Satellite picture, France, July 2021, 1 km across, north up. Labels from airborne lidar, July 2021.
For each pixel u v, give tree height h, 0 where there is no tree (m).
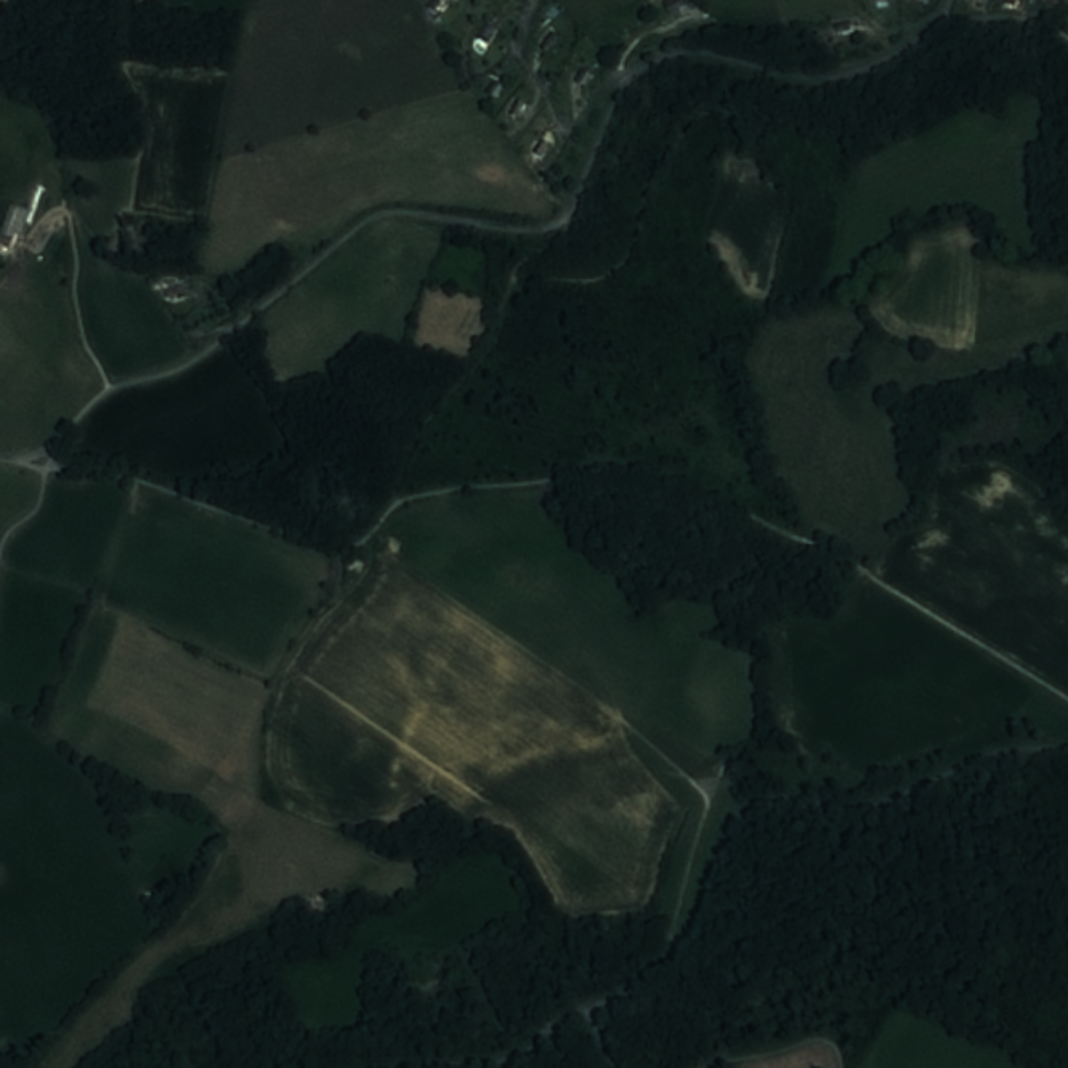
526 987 12
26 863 0
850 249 0
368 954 10
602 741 0
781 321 10
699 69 12
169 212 0
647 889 0
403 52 0
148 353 0
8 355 0
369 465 22
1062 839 19
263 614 0
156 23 11
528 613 0
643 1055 27
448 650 0
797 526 13
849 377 17
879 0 0
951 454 27
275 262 24
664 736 0
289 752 0
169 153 0
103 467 20
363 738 0
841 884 23
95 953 0
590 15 0
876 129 24
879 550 0
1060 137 17
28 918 0
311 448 23
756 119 24
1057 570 0
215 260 0
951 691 0
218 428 0
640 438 0
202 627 0
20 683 0
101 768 15
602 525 28
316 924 21
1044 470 16
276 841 0
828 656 0
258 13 0
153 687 0
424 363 14
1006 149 0
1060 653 0
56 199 0
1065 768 12
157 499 0
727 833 9
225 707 0
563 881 0
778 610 20
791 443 0
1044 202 22
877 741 0
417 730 0
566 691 0
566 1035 24
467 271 0
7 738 0
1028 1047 8
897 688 0
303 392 20
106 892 0
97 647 0
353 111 0
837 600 17
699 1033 29
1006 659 0
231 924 0
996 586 0
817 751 0
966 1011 26
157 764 0
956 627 0
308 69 0
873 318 10
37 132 0
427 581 0
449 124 0
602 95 0
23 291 0
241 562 0
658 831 0
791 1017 12
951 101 22
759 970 27
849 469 0
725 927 27
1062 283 0
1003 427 0
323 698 0
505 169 0
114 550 0
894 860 30
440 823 28
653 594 32
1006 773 29
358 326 0
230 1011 24
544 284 18
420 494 12
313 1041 23
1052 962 13
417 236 0
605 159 18
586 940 27
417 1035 18
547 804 0
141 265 18
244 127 0
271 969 20
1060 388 15
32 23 22
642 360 14
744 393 26
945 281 0
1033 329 0
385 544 0
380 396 19
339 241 0
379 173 0
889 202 0
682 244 6
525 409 9
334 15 0
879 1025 7
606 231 7
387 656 0
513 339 6
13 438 0
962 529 0
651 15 19
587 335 9
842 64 14
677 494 25
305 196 0
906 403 14
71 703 0
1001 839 29
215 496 19
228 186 0
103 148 22
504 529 0
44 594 0
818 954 24
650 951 14
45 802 0
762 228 0
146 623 0
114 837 16
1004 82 27
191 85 0
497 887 0
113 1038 12
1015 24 10
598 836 0
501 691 0
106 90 27
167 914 23
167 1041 8
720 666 0
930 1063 0
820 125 18
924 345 23
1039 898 13
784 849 24
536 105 0
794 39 15
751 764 14
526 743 0
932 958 25
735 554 25
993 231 20
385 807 0
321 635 0
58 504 0
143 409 0
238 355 13
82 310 0
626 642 0
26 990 0
